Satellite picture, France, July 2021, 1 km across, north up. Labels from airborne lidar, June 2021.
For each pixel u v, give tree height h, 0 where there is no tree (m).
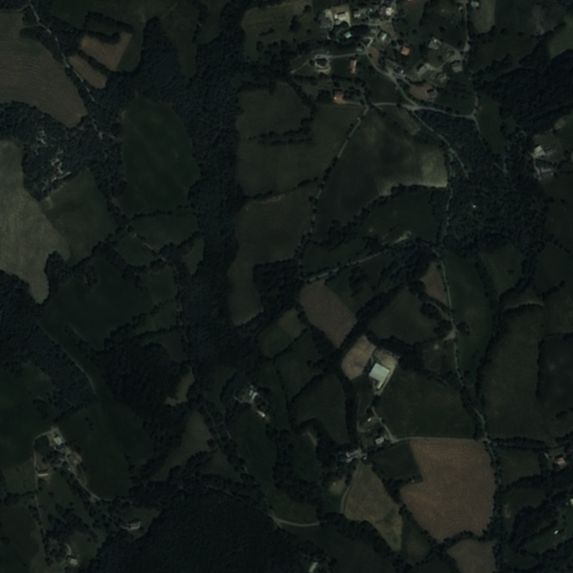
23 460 0
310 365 9
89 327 0
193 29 0
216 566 20
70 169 7
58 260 13
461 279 0
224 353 23
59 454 12
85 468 8
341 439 0
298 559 10
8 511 0
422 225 0
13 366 12
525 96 12
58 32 16
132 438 0
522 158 9
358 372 0
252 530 21
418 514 0
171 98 11
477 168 10
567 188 0
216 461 0
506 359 0
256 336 9
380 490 0
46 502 0
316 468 0
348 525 15
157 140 0
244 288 0
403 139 0
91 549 0
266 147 0
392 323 0
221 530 22
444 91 8
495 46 0
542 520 13
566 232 0
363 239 7
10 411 0
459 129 11
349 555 0
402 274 13
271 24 0
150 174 0
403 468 0
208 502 24
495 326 6
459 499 0
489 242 21
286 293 13
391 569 0
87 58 8
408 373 0
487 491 0
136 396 24
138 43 0
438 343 0
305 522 0
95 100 8
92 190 0
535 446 13
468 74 6
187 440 0
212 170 13
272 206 0
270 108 0
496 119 0
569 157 8
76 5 0
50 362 13
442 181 0
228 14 16
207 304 16
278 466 12
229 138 12
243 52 8
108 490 0
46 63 0
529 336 0
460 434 0
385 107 0
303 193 0
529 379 0
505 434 0
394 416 0
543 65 14
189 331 16
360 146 0
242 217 0
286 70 13
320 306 0
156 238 0
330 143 0
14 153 0
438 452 0
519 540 13
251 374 21
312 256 0
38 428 0
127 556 20
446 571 0
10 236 0
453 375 13
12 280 11
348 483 10
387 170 0
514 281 0
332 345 9
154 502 16
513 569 21
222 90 7
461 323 7
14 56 0
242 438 0
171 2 0
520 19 0
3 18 0
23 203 0
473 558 0
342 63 0
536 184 12
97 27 0
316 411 0
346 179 0
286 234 0
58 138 6
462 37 0
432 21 0
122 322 0
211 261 17
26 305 21
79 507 0
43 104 0
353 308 0
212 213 16
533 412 0
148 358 22
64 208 0
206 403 12
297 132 9
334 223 10
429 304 8
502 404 0
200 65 16
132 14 0
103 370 14
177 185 0
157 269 11
